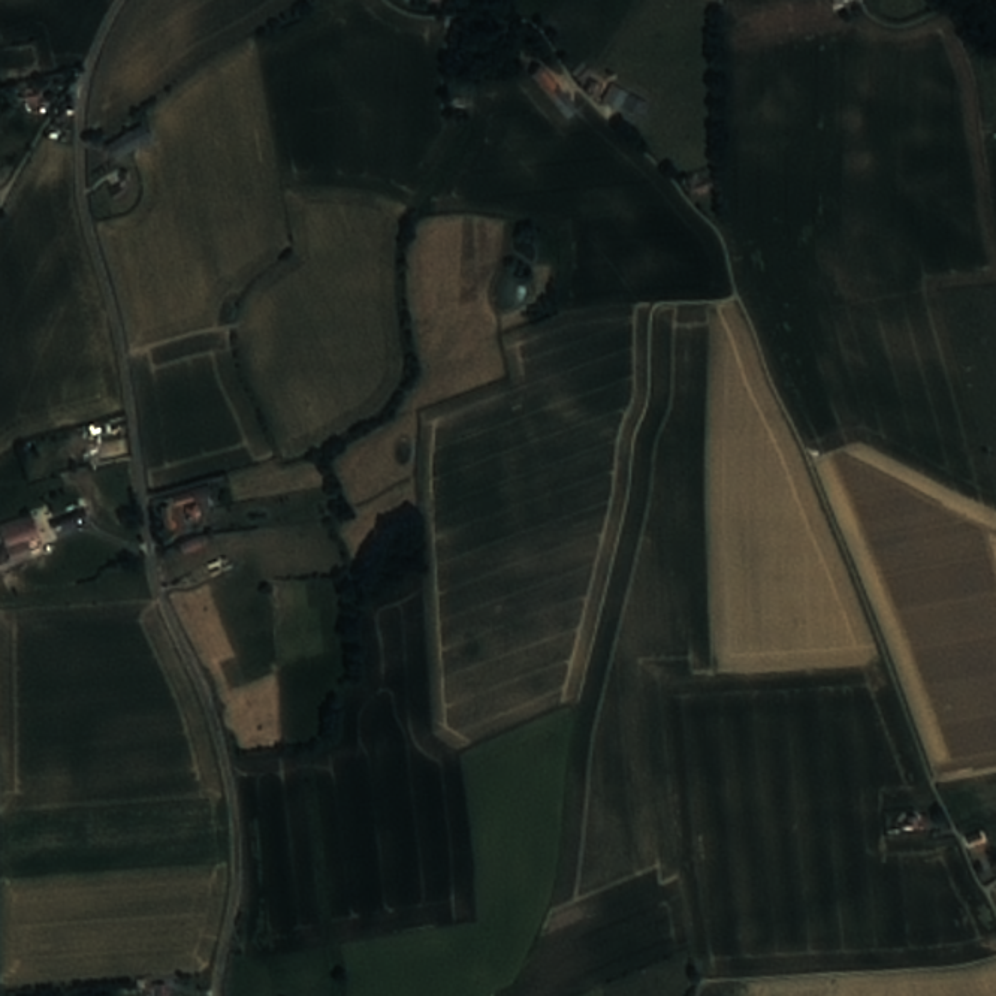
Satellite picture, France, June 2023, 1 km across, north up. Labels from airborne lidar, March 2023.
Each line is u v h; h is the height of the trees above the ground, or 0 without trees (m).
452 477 0
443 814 0
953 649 0
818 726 0
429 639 0
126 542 0
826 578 0
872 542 0
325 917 0
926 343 0
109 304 0
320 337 0
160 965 0
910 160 0
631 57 0
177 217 0
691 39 0
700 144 0
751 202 0
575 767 0
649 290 0
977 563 0
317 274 0
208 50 0
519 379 0
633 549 0
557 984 0
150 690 0
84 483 0
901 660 0
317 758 0
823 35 0
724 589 0
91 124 0
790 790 0
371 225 0
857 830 0
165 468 0
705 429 0
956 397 0
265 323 0
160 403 0
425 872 0
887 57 0
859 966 0
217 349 0
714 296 0
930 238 0
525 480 0
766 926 0
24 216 0
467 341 0
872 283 0
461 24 17
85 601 0
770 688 0
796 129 0
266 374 0
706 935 0
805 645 0
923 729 0
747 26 0
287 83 0
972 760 0
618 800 0
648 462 0
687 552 0
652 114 0
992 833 0
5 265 0
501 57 19
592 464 0
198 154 0
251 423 0
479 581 0
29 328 0
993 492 0
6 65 0
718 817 0
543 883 0
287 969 0
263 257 0
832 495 0
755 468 0
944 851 0
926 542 0
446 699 0
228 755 0
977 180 0
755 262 0
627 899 0
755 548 0
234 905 0
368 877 0
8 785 0
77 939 0
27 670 0
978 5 23
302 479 0
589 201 0
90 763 0
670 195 0
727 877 0
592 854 0
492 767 0
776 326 0
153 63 0
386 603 0
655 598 0
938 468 0
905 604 0
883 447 0
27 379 0
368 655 0
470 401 0
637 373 0
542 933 0
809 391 0
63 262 0
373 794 0
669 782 0
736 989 0
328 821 0
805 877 0
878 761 0
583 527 0
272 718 0
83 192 0
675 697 0
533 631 0
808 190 0
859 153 0
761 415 0
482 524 0
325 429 0
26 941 0
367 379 0
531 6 0
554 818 0
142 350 0
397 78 0
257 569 0
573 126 0
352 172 0
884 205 0
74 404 0
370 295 0
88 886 0
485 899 0
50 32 0
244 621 0
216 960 0
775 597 0
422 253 0
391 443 0
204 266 0
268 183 0
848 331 0
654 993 0
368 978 0
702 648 0
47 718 0
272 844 0
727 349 0
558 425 0
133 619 0
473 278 0
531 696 0
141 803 0
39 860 0
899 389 0
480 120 0
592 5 0
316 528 0
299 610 0
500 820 0
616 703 0
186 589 0
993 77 0
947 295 0
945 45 0
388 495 0
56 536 0
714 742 0
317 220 0
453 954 0
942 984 0
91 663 0
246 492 0
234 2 0
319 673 0
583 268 0
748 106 0
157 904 0
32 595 0
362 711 0
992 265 0
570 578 0
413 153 0
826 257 0
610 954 0
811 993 0
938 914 0
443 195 0
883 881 0
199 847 0
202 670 0
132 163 0
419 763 0
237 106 0
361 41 0
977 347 0
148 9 0
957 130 0
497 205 0
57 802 0
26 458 9
